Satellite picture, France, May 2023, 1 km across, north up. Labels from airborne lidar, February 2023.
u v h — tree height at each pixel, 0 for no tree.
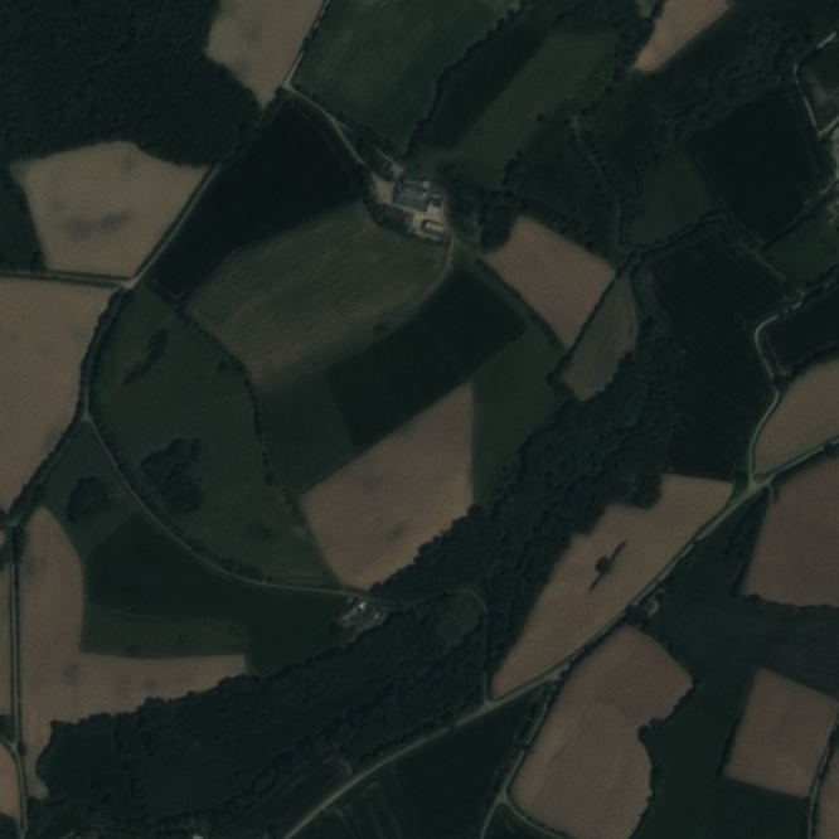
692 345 0
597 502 20
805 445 0
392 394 0
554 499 10
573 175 0
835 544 0
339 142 0
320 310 0
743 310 0
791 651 0
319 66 0
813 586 0
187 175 0
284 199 0
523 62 0
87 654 0
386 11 0
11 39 20
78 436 0
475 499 0
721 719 0
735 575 0
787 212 0
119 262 0
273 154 0
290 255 0
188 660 0
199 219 0
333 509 0
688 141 0
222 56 0
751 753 0
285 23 0
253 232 0
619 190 13
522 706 0
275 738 0
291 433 0
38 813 14
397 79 0
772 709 0
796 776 0
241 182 0
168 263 0
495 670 10
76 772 0
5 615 0
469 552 20
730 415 0
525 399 0
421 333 0
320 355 0
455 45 0
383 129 0
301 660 0
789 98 0
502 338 0
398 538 0
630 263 8
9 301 0
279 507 0
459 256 0
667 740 0
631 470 27
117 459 11
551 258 0
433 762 0
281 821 0
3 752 0
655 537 0
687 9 0
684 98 0
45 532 0
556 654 0
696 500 0
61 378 0
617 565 0
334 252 0
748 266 0
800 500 0
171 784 0
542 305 0
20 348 0
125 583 0
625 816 0
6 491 0
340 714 0
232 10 0
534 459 22
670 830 0
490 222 19
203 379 0
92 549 0
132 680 0
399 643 16
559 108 0
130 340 0
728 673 0
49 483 0
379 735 13
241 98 13
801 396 0
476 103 0
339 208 0
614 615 0
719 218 11
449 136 0
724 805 0
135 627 0
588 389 0
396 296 0
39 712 0
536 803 0
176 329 0
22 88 7
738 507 0
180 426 0
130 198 0
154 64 15
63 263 0
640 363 6
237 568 10
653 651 0
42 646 0
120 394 0
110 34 11
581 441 9
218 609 0
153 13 12
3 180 6
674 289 0
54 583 0
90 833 7
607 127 0
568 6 0
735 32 0
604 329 0
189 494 6
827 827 0
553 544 16
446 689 20
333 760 0
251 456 0
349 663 19
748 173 0
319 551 0
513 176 19
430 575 18
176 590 0
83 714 0
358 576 0
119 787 0
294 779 0
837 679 0
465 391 0
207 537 0
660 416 20
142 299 0
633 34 12
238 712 11
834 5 0
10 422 0
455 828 0
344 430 0
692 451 0
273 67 0
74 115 8
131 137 18
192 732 7
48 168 0
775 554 0
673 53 0
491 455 0
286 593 0
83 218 0
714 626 0
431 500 0
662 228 0
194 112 14
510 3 0
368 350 0
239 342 0
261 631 0
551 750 0
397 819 0
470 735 0
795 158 0
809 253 0
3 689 0
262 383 0
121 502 0
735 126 0
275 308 0
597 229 0
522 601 19
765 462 0
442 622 8
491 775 0
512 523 19
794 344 0
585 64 0
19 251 0
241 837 0
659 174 0
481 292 0
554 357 0
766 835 0
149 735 23
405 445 0
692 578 0
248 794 9
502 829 0
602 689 0
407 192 0
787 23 0
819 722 0
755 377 0
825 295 9
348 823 0
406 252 0
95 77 23
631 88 0
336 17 0
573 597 0
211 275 0
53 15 12
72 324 0
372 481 0
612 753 0
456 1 0
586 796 0
